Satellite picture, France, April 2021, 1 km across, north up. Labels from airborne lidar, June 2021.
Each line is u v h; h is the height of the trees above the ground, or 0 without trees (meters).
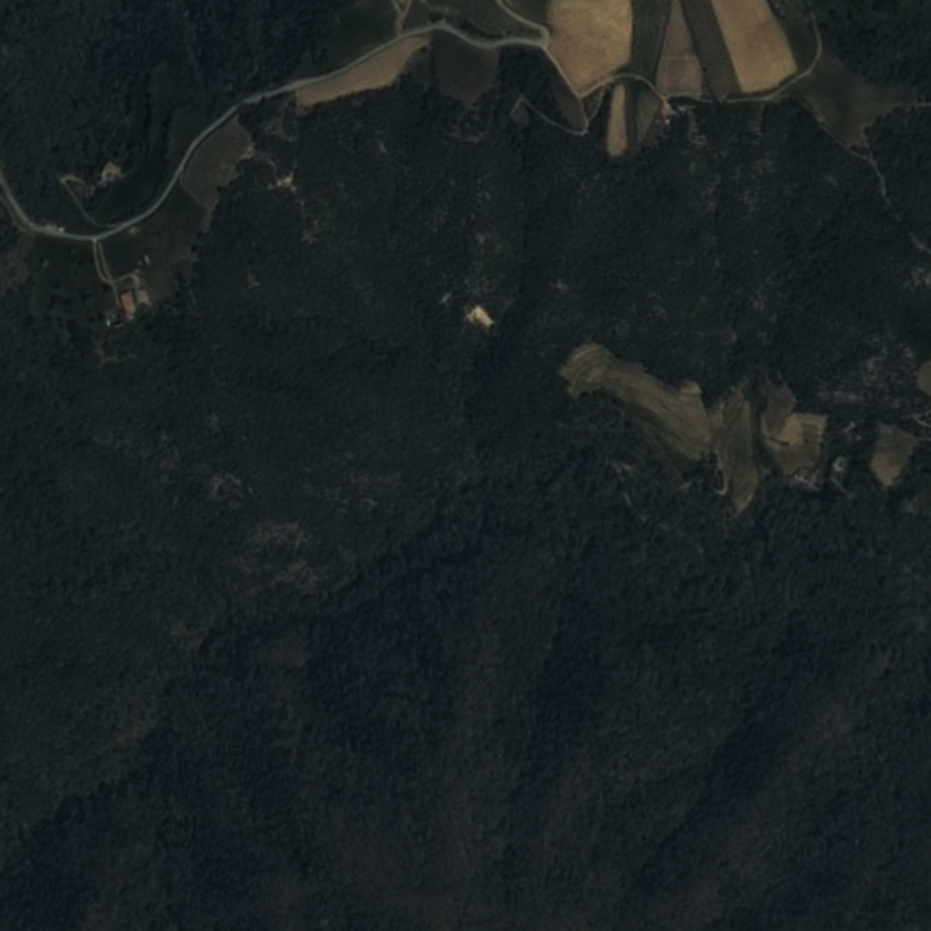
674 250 6
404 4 0
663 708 9
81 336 8
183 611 7
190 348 8
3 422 7
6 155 8
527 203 8
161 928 10
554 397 10
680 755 7
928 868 14
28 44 8
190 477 7
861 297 8
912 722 18
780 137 7
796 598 14
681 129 7
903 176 11
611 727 9
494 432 7
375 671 10
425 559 14
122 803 11
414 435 6
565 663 8
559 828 10
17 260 0
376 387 6
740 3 0
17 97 11
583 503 17
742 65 0
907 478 13
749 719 12
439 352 7
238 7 12
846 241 6
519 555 14
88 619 9
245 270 6
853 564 11
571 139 5
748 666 14
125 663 9
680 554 18
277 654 13
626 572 10
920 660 9
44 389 17
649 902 9
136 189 0
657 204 10
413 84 8
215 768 7
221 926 7
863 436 11
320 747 11
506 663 9
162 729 15
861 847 11
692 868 11
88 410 6
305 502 7
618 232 7
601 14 0
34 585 11
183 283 7
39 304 0
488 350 9
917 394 8
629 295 5
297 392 6
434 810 13
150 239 0
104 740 7
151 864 12
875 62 6
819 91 0
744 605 15
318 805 8
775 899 8
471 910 12
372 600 9
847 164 7
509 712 8
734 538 21
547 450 10
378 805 13
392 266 6
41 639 6
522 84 9
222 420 6
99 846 7
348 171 7
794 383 6
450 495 14
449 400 13
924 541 16
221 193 10
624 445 20
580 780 7
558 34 0
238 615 12
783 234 10
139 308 8
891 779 17
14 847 9
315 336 7
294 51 8
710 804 10
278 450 8
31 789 7
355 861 11
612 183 8
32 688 9
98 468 7
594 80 0
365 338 7
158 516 6
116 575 15
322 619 6
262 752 6
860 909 7
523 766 14
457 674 8
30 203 8
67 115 30
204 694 10
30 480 10
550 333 6
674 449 0
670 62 0
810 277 9
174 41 10
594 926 8
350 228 7
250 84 6
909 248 6
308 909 7
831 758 10
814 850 12
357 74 0
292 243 7
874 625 12
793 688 9
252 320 6
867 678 15
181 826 9
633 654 9
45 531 11
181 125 0
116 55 13
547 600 10
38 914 7
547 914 8
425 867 18
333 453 6
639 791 10
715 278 8
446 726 8
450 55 0
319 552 7
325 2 8
